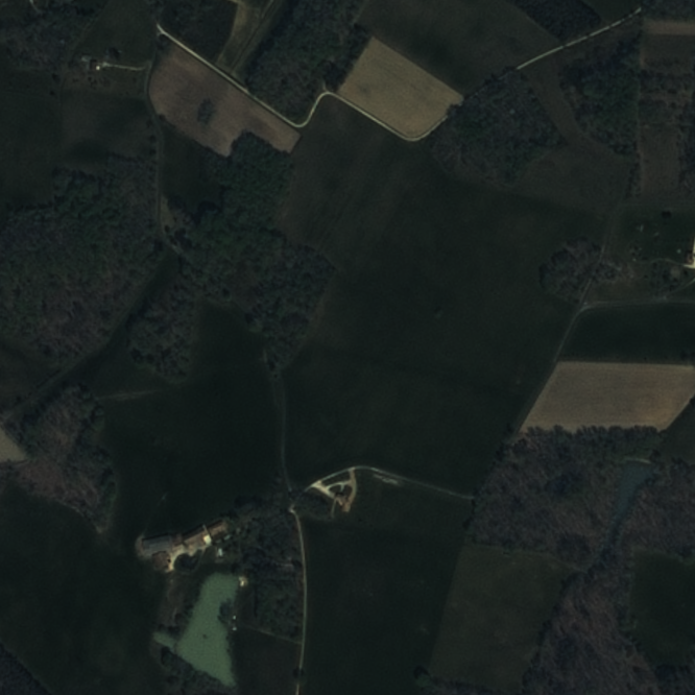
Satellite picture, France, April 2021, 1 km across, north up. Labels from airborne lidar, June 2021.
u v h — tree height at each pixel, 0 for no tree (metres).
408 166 0
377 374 0
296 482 0
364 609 0
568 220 0
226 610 14
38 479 0
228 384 0
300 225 0
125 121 0
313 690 0
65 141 0
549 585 0
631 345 0
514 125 15
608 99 14
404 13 0
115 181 16
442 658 0
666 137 0
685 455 0
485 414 0
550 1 18
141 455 0
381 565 0
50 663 0
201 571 0
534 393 0
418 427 0
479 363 0
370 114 0
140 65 0
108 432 0
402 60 0
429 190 0
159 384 0
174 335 17
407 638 0
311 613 0
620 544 16
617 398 0
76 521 0
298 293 21
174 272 0
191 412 0
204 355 0
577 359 7
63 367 11
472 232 0
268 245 17
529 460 11
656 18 16
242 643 0
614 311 0
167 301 0
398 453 0
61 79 10
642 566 0
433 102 0
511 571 0
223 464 0
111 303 14
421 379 0
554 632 15
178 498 0
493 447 0
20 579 0
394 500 0
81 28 14
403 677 0
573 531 13
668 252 0
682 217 0
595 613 13
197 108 0
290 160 12
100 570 0
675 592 0
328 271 12
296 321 15
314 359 0
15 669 19
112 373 0
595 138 13
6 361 0
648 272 0
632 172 7
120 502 0
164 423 0
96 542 0
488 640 0
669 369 0
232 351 0
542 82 0
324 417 0
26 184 0
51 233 15
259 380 0
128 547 0
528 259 0
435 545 0
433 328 0
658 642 0
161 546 0
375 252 0
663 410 0
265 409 0
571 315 0
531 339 0
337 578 0
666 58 0
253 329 18
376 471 0
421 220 0
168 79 0
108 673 0
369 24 0
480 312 0
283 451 0
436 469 0
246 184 19
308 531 0
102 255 26
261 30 0
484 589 0
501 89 13
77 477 16
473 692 18
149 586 0
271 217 14
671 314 0
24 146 0
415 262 0
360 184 0
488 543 9
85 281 16
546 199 0
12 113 0
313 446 0
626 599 15
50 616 0
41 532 0
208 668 0
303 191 0
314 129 0
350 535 0
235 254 23
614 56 0
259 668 0
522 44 0
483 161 15
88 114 0
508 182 14
